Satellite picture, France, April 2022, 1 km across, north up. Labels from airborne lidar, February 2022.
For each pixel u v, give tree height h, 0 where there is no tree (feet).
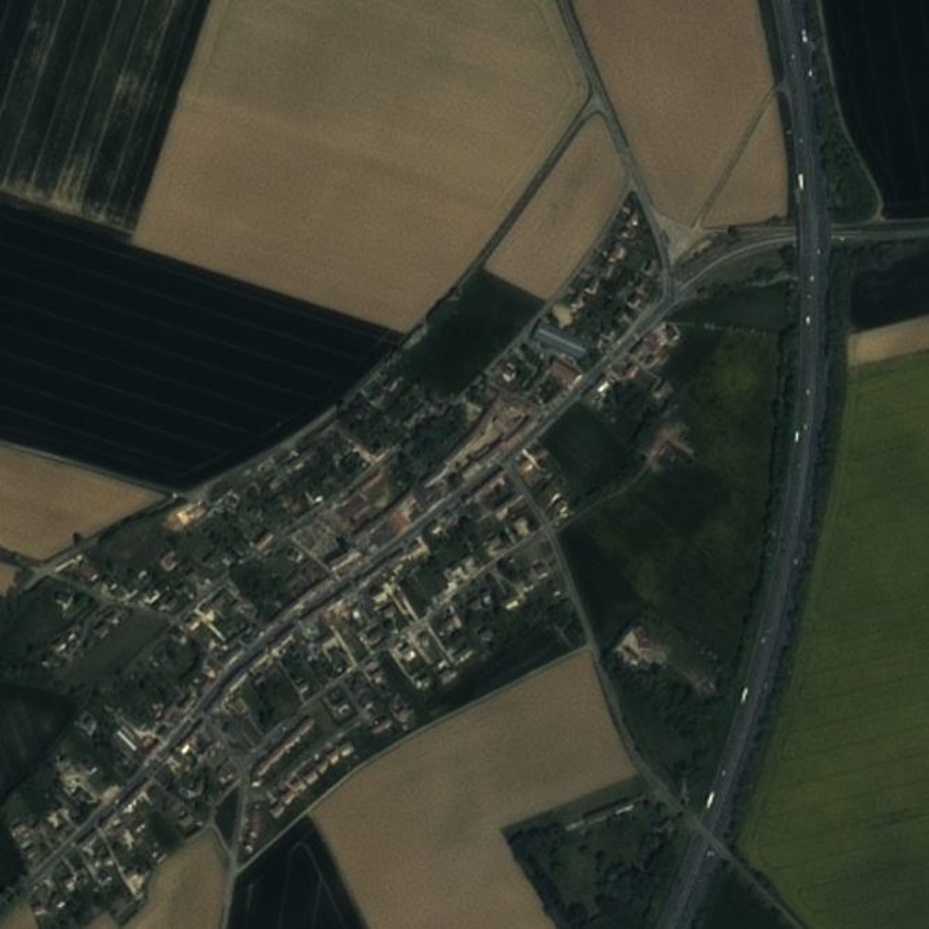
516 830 0
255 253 0
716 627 0
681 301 0
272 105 0
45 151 0
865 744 0
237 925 0
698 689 0
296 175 0
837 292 55
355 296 0
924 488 0
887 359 0
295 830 0
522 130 0
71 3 0
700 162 0
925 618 0
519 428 0
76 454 0
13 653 0
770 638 0
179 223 0
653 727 0
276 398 0
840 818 0
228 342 0
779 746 0
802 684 0
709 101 0
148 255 0
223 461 0
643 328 0
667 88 0
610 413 0
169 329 0
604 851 0
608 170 0
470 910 0
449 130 0
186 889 0
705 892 0
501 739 0
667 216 0
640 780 0
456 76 0
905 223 0
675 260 0
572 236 0
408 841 0
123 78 0
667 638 0
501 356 0
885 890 0
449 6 0
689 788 70
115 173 0
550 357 0
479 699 0
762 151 0
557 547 0
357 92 0
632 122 0
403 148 0
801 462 0
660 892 48
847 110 0
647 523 0
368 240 0
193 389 0
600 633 0
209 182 0
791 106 0
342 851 0
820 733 0
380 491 0
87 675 0
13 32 0
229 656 0
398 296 0
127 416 0
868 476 0
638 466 26
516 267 0
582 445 0
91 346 0
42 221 0
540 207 0
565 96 0
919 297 0
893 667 0
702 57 0
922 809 0
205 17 0
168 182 0
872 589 0
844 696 0
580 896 0
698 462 0
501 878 0
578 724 0
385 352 0
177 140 0
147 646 0
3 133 0
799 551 0
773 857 0
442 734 0
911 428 0
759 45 0
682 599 0
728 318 0
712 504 0
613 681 59
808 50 0
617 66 0
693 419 0
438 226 0
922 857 0
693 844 0
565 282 0
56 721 0
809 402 0
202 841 0
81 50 0
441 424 41
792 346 69
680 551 0
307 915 0
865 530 0
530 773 0
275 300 0
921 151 0
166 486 0
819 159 0
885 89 0
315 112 0
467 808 0
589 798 0
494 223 0
